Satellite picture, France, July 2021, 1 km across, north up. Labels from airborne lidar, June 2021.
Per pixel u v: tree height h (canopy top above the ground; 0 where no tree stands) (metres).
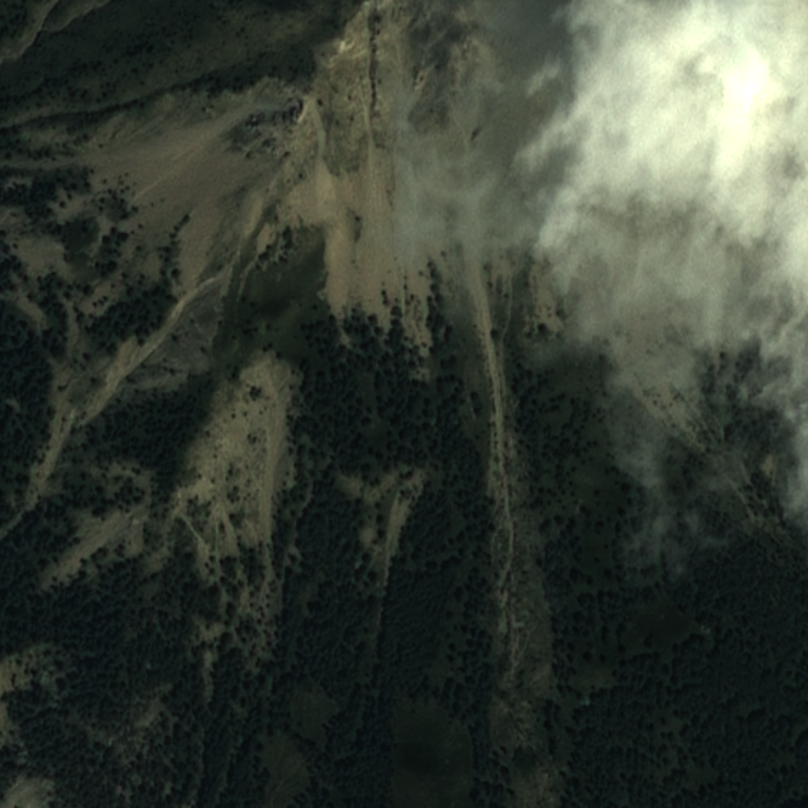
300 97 0
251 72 7
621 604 24
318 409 18
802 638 19
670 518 14
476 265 0
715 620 24
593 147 0
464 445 15
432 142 0
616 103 0
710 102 0
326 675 21
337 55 0
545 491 15
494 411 7
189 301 0
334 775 24
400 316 7
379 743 23
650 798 19
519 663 0
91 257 0
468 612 15
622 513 18
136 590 10
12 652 17
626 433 7
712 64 0
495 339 12
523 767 8
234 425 0
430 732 0
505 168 0
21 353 20
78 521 0
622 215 0
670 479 0
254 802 16
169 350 0
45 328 0
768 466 0
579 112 0
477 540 10
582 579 21
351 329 19
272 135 0
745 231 0
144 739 8
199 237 0
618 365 0
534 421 12
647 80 0
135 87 0
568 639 18
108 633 12
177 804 13
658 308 0
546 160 0
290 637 24
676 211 0
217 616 14
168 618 26
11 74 0
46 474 0
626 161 0
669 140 0
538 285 0
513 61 0
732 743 24
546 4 0
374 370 18
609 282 0
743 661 22
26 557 21
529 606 0
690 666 24
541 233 0
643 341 0
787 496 13
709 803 25
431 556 14
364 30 0
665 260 0
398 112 0
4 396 14
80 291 7
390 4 0
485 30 0
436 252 0
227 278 0
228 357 0
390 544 0
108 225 0
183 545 6
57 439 0
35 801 0
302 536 17
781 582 18
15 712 6
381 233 0
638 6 0
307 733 0
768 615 22
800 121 0
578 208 0
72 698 11
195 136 0
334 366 10
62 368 0
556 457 9
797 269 0
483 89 0
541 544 0
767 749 26
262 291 0
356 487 0
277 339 0
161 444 11
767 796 27
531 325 0
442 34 0
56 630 20
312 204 0
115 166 0
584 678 0
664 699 19
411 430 19
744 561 17
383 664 18
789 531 7
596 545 0
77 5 0
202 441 0
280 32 0
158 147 0
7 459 18
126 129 0
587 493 0
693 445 0
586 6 0
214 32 0
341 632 24
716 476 9
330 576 14
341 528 19
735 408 10
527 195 0
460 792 0
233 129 0
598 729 19
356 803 23
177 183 0
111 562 0
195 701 20
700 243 0
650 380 0
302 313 0
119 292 0
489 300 0
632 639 0
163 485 7
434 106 0
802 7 0
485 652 14
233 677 16
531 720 0
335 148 0
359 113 0
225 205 0
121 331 9
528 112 0
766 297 0
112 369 0
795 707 21
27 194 10
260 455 0
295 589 21
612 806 20
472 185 0
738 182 0
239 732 13
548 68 0
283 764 0
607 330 0
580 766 24
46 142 0
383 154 0
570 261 0
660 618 0
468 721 17
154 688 15
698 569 26
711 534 19
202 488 0
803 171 0
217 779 24
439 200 0
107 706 14
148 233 0
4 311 21
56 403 0
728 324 0
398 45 0
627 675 16
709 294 0
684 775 22
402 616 18
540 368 0
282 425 0
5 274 14
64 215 0
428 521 17
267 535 0
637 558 25
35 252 0
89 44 0
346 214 0
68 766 6
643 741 19
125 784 15
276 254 0
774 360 8
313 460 9
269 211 0
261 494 0
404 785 0
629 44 0
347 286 0
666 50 0
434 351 15
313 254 0
